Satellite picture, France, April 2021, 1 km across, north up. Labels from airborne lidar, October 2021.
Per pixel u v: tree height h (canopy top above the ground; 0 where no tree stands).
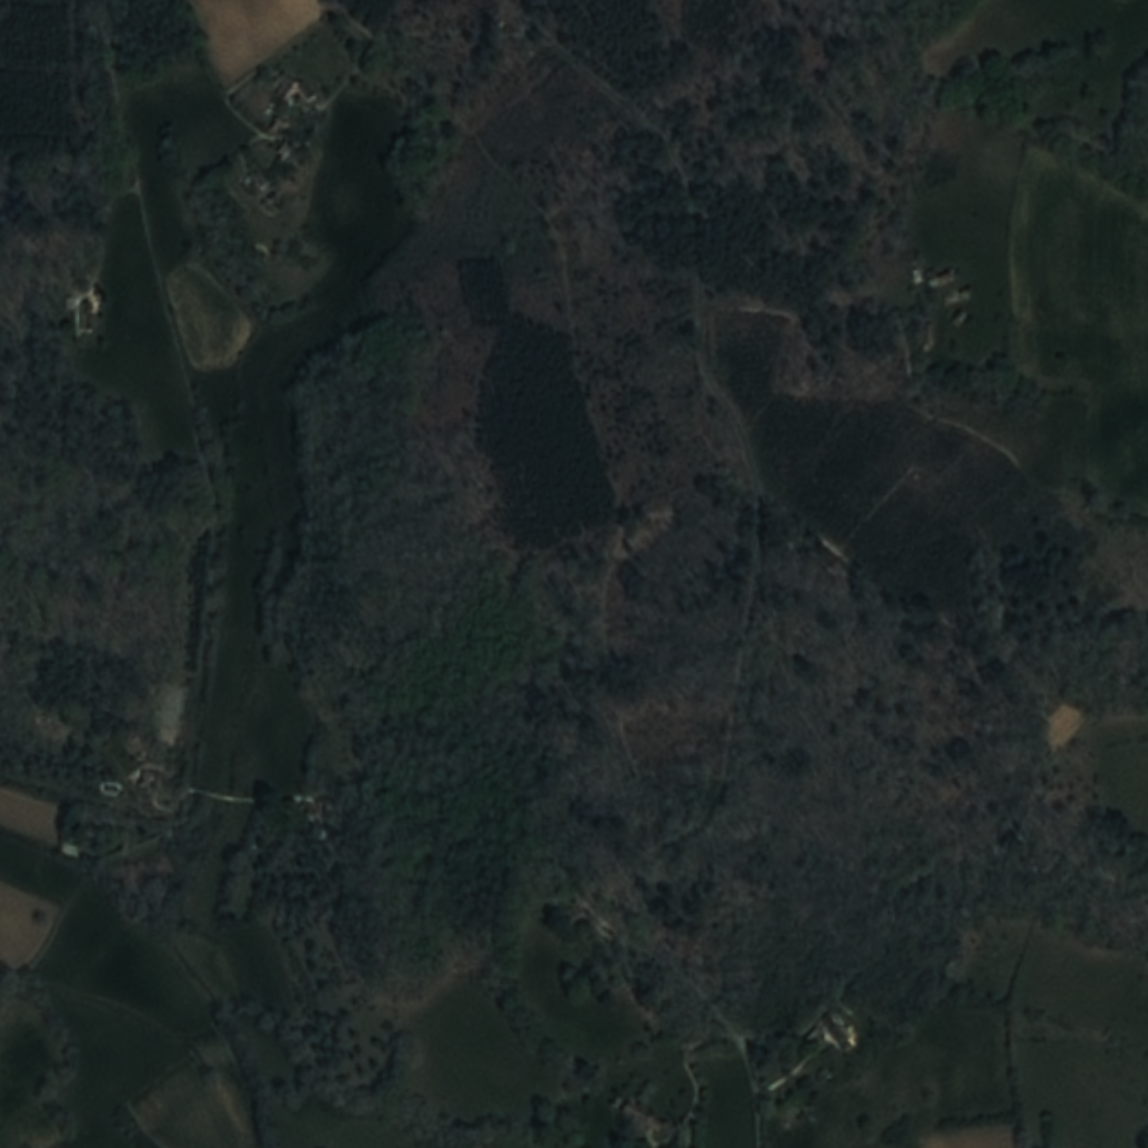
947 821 9
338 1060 16
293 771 0
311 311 14
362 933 25
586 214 13
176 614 15
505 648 21
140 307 0
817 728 17
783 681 15
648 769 9
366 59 11
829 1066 15
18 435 22
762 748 12
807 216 21
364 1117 19
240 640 0
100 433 23
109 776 9
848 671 19
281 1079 0
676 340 6
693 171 13
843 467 6
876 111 17
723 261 21
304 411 16
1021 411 11
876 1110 0
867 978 21
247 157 8
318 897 10
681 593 13
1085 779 7
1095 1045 0
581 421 11
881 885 18
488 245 11
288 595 24
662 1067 0
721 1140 0
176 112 0
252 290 12
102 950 0
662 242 20
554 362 9
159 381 0
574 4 23
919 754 19
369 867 22
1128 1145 0
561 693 11
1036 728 12
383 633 13
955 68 0
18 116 16
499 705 21
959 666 11
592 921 14
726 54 9
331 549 19
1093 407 0
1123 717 17
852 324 6
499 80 12
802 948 13
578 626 28
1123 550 0
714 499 15
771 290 20
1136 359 0
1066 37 0
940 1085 0
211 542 7
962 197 0
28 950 0
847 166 17
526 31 13
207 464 13
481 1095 0
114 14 26
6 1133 0
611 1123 0
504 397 10
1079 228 0
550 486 11
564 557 15
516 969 17
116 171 28
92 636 22
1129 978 0
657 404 7
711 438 9
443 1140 10
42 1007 16
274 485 0
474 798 23
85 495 15
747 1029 14
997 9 0
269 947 0
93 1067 0
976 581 9
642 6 23
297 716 0
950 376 8
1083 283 0
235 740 0
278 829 17
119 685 27
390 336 18
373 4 18
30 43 9
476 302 9
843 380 10
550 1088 0
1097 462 0
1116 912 23
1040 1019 10
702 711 16
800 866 12
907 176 11
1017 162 0
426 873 23
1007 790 12
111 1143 0
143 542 17
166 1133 0
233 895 14
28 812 0
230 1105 0
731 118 13
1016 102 17
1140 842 14
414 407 14
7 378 26
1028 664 22
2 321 18
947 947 15
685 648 12
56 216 16
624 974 19
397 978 19
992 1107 0
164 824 10
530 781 20
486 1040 0
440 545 19
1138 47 0
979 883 23
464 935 21
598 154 15
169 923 19
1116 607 0
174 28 28
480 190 6
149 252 0
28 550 19
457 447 17
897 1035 18
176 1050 0
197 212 16
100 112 25
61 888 0
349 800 15
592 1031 0
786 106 19
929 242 0
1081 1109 0
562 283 10
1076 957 0
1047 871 20
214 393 0
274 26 0
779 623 13
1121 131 14
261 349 0
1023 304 0
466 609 18
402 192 21
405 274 7
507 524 10
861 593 22
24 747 17
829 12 17
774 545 15
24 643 15
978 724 16
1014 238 0
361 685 16
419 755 20
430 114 20
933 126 14
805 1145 0
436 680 21
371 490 17
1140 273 0
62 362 18
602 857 18
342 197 0
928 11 19
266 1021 16
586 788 21
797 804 15
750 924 13
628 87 20
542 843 22
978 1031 0
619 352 7
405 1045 16
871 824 12
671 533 13
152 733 16
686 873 17
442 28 12
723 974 9
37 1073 0
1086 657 14
